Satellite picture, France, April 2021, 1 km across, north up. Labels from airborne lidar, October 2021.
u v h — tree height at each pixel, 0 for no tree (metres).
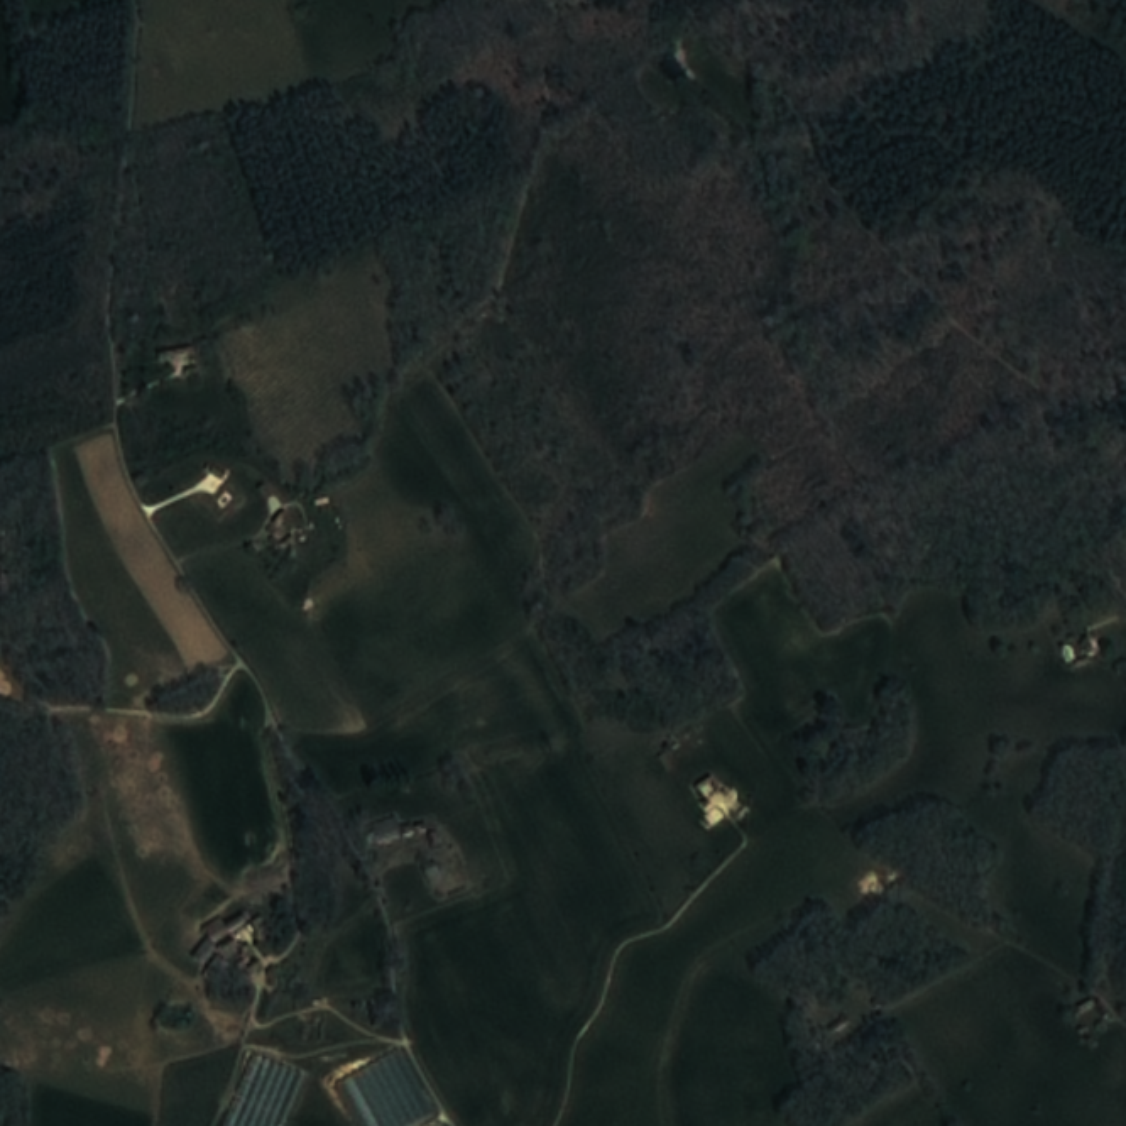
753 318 6
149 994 0
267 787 0
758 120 15
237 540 0
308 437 0
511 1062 0
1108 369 20
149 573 0
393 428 0
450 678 0
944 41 16
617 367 17
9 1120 17
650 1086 0
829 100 13
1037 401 12
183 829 0
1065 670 11
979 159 20
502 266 17
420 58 16
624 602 0
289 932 10
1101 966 17
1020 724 0
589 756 0
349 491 0
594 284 6
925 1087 13
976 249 12
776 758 0
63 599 12
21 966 0
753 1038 0
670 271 6
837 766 16
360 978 0
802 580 14
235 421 0
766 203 14
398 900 0
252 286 13
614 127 13
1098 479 16
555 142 17
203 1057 0
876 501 18
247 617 0
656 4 11
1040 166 21
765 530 14
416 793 0
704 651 27
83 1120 0
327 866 17
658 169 12
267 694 0
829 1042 11
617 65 14
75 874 0
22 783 19
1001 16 16
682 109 7
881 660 0
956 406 6
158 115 0
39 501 13
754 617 0
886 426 7
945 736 0
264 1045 0
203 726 0
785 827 0
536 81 10
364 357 0
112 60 18
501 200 22
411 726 0
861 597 15
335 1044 0
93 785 0
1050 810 19
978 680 0
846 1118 18
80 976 0
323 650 0
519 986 0
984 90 17
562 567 11
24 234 10
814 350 19
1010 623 22
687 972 0
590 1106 0
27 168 9
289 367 0
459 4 16
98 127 22
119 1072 0
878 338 20
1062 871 0
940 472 18
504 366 15
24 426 9
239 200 13
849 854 0
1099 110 20
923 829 20
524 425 9
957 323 11
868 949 22
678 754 0
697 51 0
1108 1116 0
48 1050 0
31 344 11
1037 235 11
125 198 14
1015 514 21
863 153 20
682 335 7
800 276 7
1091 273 16
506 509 0
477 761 0
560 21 5
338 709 0
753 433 6
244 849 0
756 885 0
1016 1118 0
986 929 14
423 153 14
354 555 0
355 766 0
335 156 17
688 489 0
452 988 0
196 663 0
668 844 0
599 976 0
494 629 0
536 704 0
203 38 0
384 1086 0
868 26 10
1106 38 8
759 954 0
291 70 0
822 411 19
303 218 23
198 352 9
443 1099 0
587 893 0
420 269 13
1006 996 0
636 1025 0
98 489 0
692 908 0
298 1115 0
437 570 0
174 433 9
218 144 16
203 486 0
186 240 10
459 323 10
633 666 16
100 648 13
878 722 10
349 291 0
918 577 22
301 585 0
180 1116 0
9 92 0
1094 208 23
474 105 20
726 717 0
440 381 8
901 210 21
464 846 0
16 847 23
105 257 11
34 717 17
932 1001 0
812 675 0
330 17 0
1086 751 17
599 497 10
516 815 0
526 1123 0
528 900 0
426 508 0
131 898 0
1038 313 18
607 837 0
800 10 12
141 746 0
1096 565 21
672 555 0
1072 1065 0
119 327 13
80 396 12
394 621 0
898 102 20
